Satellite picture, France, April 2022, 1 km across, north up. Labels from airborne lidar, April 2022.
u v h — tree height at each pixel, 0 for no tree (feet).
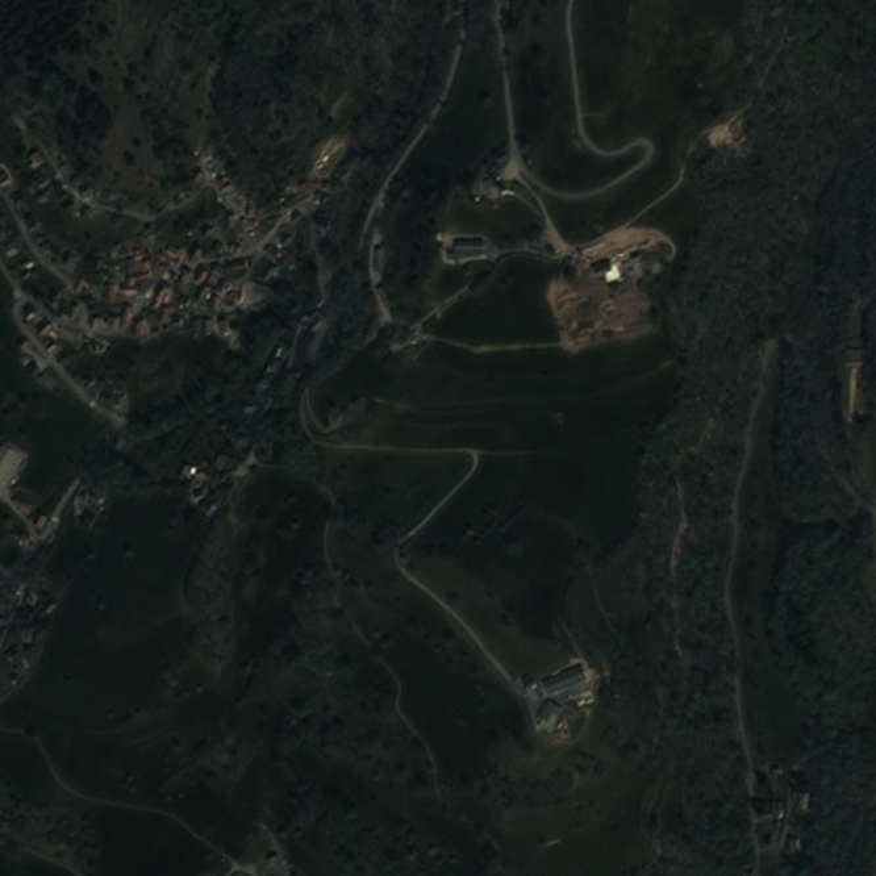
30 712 0
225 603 73
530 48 0
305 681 30
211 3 78
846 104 47
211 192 0
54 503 0
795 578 55
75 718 0
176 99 58
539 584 0
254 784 0
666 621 75
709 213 22
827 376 68
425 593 0
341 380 0
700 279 31
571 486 0
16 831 69
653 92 0
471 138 0
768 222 62
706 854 87
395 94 85
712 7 0
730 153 41
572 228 0
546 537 0
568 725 0
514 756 0
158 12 32
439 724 0
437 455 0
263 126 50
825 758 75
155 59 61
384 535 47
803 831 34
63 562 0
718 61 0
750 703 0
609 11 0
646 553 68
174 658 0
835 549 56
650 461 63
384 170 62
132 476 39
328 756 28
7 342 0
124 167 0
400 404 0
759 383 65
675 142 0
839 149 69
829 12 66
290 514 0
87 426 0
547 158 0
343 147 0
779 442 60
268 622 0
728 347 65
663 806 0
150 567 0
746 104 43
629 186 0
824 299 75
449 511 0
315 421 0
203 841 0
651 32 0
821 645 74
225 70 26
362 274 46
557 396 0
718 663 87
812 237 24
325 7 0
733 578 0
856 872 49
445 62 62
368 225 0
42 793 0
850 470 60
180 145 56
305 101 69
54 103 66
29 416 0
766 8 45
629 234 0
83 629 0
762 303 72
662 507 53
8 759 0
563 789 64
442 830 0
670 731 58
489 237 0
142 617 0
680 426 65
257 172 39
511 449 0
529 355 0
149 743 0
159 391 0
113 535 0
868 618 46
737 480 19
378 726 0
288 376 45
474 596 0
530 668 0
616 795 0
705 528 75
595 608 67
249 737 0
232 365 69
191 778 31
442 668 0
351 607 0
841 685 65
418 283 40
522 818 0
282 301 73
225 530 76
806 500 69
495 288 0
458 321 0
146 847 0
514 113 0
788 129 37
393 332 40
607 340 39
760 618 0
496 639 0
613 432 0
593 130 0
